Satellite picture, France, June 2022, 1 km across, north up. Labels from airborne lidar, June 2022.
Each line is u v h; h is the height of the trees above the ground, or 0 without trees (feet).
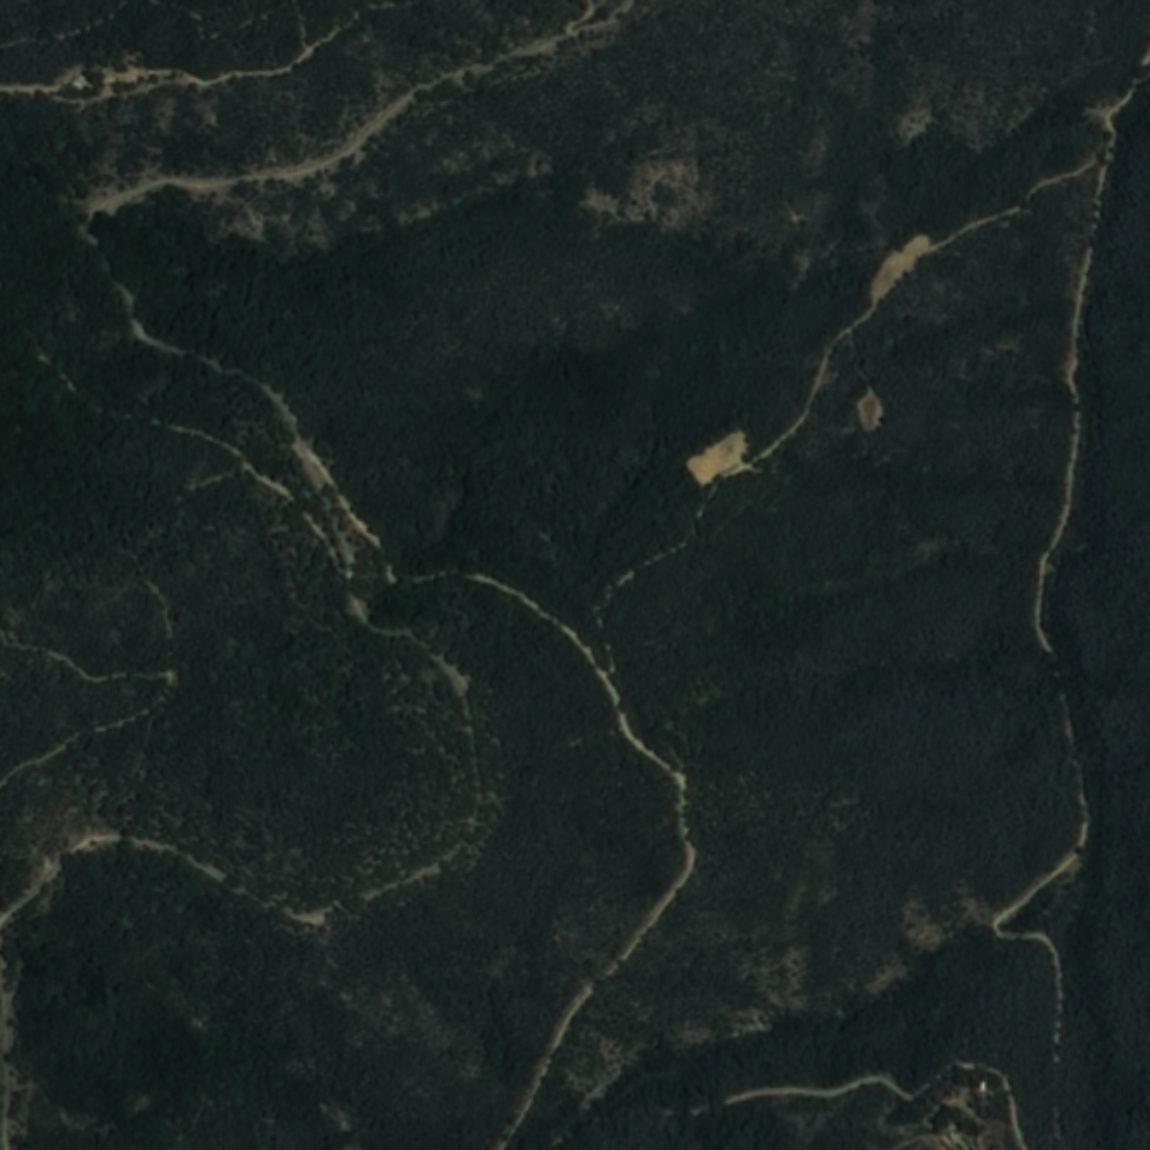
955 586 27
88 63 19
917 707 44
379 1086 31
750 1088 24
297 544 28
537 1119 21
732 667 27
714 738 27
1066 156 26
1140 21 19
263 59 26
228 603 20
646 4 20
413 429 27
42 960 47
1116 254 47
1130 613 36
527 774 34
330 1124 25
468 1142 32
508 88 22
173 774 22
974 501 20
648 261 26
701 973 24
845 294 25
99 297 22
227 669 28
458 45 28
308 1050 26
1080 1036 44
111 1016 48
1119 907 29
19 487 43
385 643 27
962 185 30
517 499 31
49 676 38
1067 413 22
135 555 22
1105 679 23
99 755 52
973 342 22
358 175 21
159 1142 24
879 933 32
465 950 34
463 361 18
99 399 39
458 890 31
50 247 57
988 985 25
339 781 27
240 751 27
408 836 22
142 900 45
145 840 36
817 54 20
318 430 32
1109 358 21
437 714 27
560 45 19
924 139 32
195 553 30
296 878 26
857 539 24
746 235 24
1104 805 29
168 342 24
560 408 24
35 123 46
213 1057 29
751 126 18
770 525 19
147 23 18
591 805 26
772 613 40
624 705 23
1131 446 20
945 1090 23
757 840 27
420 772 29
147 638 21
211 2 24
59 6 24
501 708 26
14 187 42
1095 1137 48
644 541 23
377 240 28
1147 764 27
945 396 35
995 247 37
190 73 25
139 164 21
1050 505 31
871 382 24
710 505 28
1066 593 25
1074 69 27
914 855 27
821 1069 31
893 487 32
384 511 26
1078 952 28
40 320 33
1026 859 19
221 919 26
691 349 30
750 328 21
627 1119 54
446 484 45
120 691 22
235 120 17
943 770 36
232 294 33
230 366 30
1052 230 19
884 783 21
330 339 36
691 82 22
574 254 20
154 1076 30
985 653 37
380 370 30
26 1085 31
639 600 35
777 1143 24
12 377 55
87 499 42
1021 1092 38
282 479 44
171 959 31
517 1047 44
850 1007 18
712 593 18
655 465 33
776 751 23
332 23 25
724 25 23
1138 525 32
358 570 32
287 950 23
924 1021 20
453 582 32
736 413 23
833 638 20
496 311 27
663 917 24
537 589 20
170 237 26
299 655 19
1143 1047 26
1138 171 36
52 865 0
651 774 28
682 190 0
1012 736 42
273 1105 34
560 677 24
